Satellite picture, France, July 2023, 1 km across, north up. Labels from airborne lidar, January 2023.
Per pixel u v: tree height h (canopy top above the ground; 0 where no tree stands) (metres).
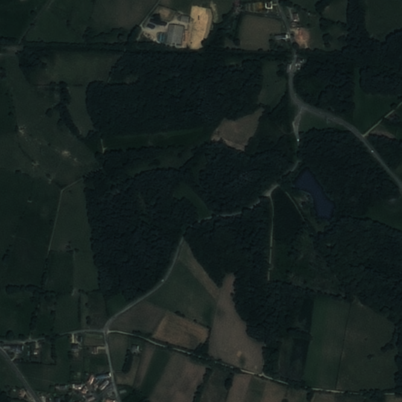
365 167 23
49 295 16
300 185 0
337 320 0
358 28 28
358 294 19
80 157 0
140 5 0
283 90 0
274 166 22
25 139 0
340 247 35
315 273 0
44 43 12
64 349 0
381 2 0
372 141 8
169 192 19
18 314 0
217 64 19
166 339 0
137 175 7
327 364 0
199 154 14
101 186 7
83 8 0
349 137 23
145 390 0
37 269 0
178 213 10
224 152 19
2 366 0
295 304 16
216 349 0
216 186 24
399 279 11
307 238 0
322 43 0
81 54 0
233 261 26
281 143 7
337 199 23
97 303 0
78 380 0
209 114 21
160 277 12
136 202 10
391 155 21
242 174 23
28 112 0
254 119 0
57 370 0
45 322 0
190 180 20
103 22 0
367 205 18
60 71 0
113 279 19
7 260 20
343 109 8
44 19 0
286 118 8
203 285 0
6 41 14
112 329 0
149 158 17
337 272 24
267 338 12
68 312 0
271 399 0
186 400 0
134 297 14
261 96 0
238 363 0
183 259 0
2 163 0
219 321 0
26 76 8
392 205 0
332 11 0
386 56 22
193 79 18
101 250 20
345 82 23
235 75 24
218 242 29
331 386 0
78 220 0
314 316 0
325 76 24
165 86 23
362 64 7
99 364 0
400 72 12
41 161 0
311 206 9
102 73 0
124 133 23
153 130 20
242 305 27
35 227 0
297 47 14
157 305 0
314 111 0
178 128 20
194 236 21
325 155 20
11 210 0
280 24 0
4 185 0
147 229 22
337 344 0
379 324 0
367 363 0
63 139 0
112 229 20
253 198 21
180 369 0
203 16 0
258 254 21
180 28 0
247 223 22
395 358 0
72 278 0
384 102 0
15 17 0
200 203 0
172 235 11
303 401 0
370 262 6
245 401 0
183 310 0
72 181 0
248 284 23
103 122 18
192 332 0
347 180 24
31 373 0
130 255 18
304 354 0
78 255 0
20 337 13
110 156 19
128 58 14
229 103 25
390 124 8
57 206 0
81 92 0
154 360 0
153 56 9
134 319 0
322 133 17
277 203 6
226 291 0
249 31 0
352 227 27
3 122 0
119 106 16
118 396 0
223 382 0
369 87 29
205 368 0
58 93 26
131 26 0
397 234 27
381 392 11
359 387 0
